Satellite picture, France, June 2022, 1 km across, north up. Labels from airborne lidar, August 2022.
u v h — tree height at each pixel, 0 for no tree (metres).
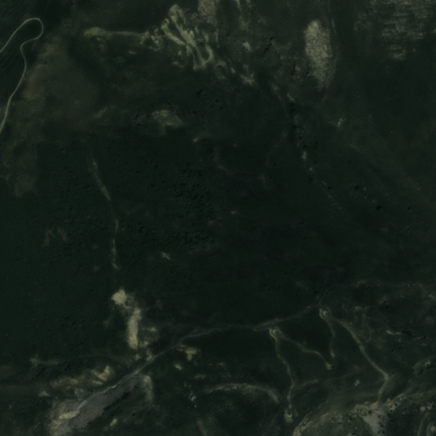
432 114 0
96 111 0
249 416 0
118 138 0
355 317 0
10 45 0
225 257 0
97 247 0
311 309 0
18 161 0
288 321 0
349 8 0
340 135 0
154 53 0
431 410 0
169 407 0
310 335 0
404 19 0
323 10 0
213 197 13
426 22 0
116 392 0
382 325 0
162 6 0
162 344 0
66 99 0
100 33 0
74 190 0
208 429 0
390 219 0
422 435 0
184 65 0
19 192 0
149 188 7
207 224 0
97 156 0
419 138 0
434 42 0
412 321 0
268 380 0
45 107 0
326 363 0
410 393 0
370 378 0
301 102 0
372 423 0
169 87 0
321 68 0
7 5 0
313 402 0
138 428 0
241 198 0
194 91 0
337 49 0
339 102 0
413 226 0
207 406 0
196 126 0
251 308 0
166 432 0
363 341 0
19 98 0
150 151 0
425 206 0
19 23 0
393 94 0
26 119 0
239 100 0
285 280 0
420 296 0
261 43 0
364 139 0
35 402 0
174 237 6
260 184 0
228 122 0
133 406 0
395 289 0
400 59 0
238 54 0
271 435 0
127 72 0
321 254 0
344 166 0
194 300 0
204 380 0
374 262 0
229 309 0
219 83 0
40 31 0
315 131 0
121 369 0
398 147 0
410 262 0
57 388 0
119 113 0
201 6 0
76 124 0
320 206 0
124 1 0
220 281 0
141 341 0
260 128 0
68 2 0
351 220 0
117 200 0
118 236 0
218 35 0
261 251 0
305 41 0
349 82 0
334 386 0
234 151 0
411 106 0
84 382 0
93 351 0
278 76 0
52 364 0
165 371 0
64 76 0
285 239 0
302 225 7
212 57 0
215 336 0
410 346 0
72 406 0
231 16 0
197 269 0
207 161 0
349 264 0
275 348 0
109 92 0
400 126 0
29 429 0
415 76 0
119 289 0
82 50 0
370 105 0
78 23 0
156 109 0
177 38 0
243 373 0
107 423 0
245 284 0
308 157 0
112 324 0
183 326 0
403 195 0
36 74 0
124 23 0
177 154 0
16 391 0
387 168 0
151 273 0
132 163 0
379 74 0
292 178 0
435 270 0
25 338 0
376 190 0
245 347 0
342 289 0
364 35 0
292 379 0
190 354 0
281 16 0
